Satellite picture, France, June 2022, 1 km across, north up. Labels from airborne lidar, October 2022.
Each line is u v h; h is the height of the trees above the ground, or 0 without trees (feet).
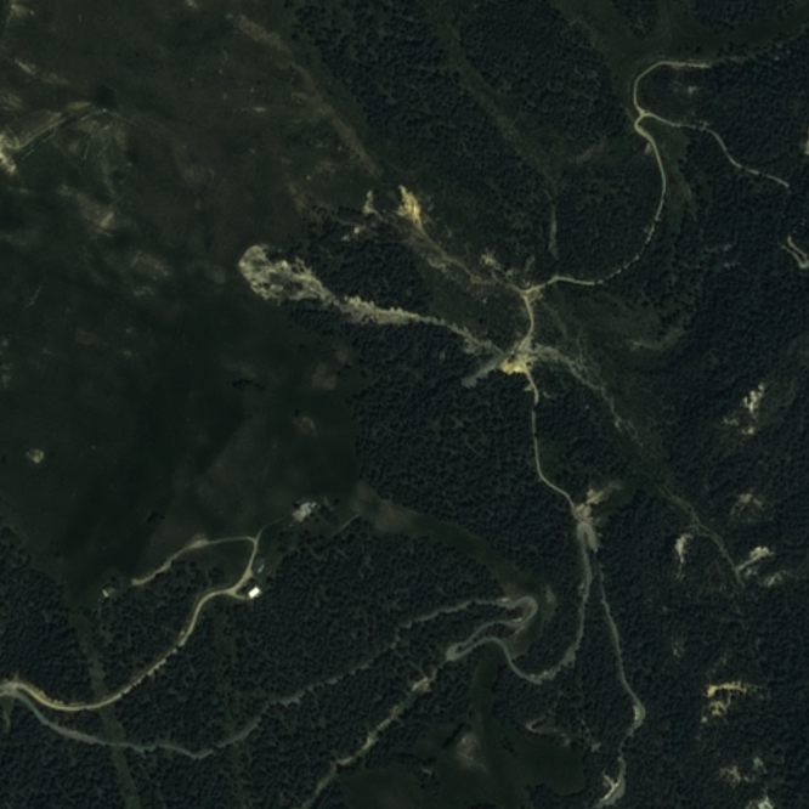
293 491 0
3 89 0
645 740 36
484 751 0
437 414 52
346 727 46
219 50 0
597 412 35
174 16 0
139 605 35
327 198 0
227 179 0
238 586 0
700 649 67
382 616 33
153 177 0
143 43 0
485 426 60
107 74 0
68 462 0
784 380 27
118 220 0
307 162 0
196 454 0
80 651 58
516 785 0
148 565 0
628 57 0
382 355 29
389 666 59
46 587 48
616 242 38
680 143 0
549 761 0
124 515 0
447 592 58
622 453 30
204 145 0
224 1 0
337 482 0
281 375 0
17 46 0
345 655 45
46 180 0
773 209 41
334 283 47
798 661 39
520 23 27
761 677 40
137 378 0
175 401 0
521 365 0
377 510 0
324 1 38
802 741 47
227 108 0
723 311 36
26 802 30
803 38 26
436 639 68
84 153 0
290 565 43
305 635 45
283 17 0
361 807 0
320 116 0
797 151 35
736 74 48
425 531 0
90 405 0
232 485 0
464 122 38
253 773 33
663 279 64
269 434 0
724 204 36
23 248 0
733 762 28
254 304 0
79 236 0
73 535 0
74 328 0
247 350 0
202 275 0
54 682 36
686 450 28
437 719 76
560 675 41
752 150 53
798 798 50
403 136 37
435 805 0
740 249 40
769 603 38
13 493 0
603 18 0
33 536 0
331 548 39
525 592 0
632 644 77
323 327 65
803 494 33
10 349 0
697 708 38
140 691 58
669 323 53
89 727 39
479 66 57
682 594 35
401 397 57
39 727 27
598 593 42
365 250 48
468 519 48
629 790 34
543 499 43
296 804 70
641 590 36
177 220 0
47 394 0
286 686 51
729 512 23
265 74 0
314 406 0
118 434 0
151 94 0
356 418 22
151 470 0
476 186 30
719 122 31
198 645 51
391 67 58
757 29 0
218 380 0
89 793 37
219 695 32
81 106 0
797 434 38
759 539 33
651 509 41
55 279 0
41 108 0
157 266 0
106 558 0
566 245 29
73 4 0
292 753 43
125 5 0
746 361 40
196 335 0
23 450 0
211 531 0
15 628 39
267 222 0
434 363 42
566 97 56
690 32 0
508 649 0
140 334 0
